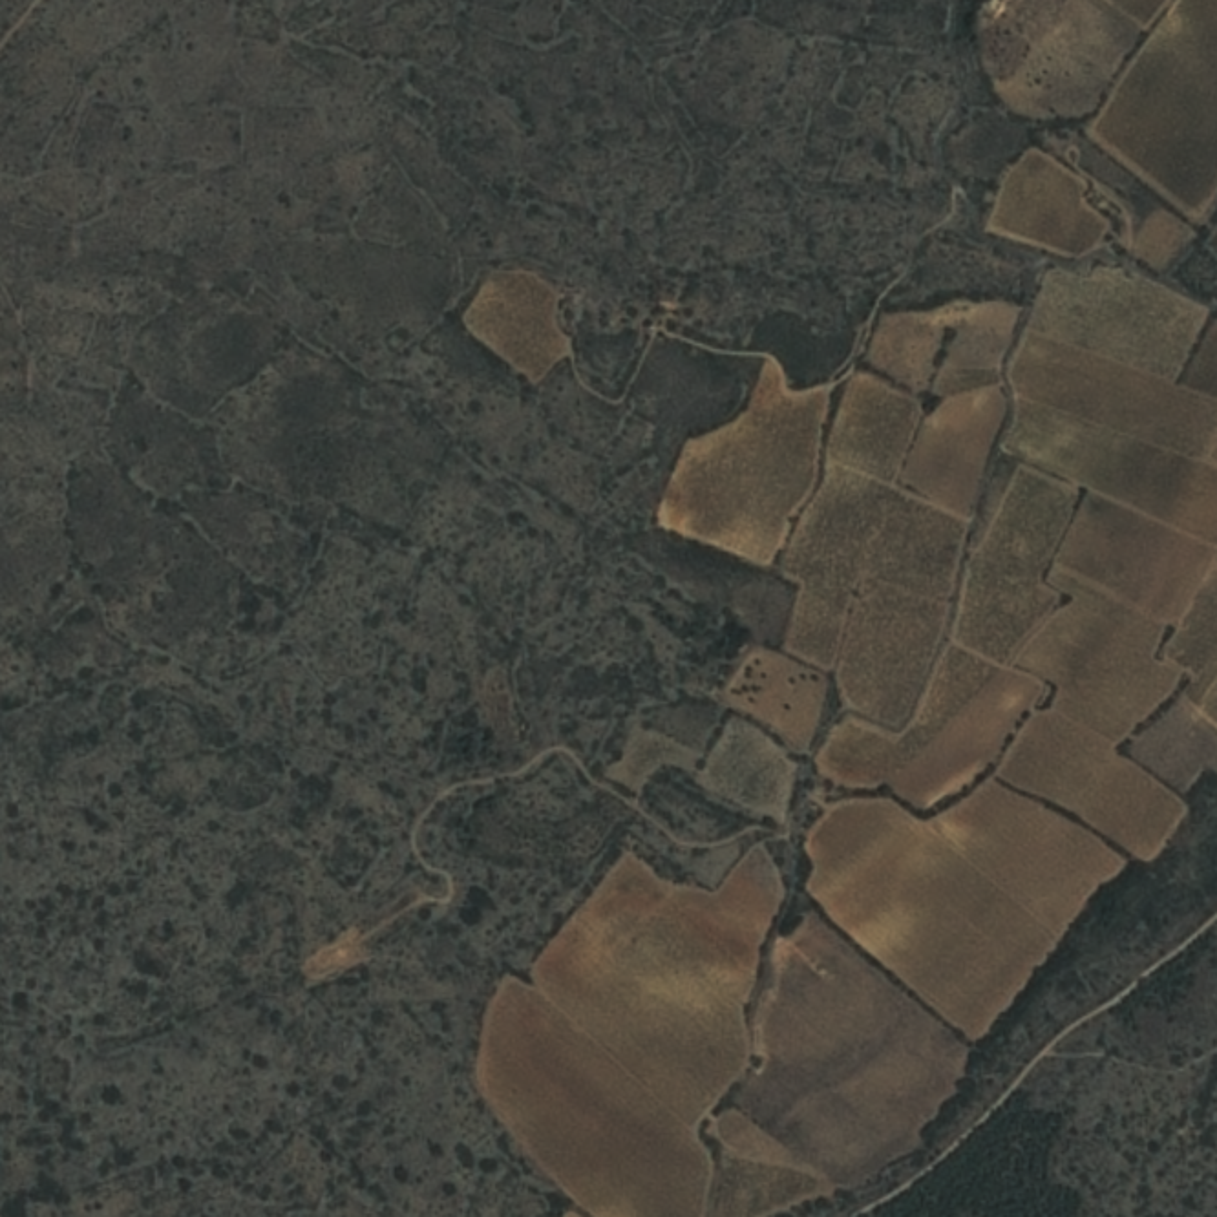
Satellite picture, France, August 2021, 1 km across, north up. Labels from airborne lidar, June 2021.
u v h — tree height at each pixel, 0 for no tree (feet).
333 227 0
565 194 0
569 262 0
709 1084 0
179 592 0
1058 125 18
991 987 0
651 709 0
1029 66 0
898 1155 0
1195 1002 0
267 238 0
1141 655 0
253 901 0
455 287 0
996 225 0
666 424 0
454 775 0
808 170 0
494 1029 0
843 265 0
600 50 0
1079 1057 0
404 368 0
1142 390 0
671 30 0
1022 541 0
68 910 0
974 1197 20
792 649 0
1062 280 0
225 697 0
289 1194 0
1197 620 0
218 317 0
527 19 0
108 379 0
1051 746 0
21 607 0
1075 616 0
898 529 0
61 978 0
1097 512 0
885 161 0
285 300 0
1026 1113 20
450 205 0
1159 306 0
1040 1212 22
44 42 0
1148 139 0
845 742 0
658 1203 0
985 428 0
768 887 0
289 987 0
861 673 0
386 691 0
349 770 0
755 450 0
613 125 0
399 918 0
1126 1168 0
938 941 0
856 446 0
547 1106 0
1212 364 0
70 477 0
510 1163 0
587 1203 0
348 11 0
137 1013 0
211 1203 0
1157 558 0
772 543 0
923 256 0
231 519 0
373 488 0
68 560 0
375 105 0
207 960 0
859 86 0
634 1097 0
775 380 0
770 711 0
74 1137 0
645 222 0
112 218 0
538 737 0
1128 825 0
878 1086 0
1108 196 0
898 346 0
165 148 0
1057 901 0
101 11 0
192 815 0
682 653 0
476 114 0
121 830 0
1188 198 0
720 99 0
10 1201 0
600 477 0
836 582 0
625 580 0
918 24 0
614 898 0
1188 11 0
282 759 0
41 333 0
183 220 0
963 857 0
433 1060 0
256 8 0
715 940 0
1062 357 0
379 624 0
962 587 0
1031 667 0
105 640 0
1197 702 0
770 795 0
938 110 0
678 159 0
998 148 0
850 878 0
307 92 0
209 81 0
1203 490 0
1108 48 0
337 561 0
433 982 0
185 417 0
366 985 0
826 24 0
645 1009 0
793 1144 0
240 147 0
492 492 0
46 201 0
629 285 0
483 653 0
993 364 0
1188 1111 0
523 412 0
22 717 0
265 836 0
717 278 0
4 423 0
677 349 0
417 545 0
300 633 0
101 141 0
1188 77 0
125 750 0
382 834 0
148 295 0
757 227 0
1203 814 0
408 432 0
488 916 0
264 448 0
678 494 0
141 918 0
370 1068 0
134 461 0
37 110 0
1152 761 0
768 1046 0
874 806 0
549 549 0
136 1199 0
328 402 0
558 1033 0
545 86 0
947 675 0
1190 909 0
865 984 0
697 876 0
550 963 0
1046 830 0
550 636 0
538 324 0
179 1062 0
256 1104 0
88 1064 0
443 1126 0
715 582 0
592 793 0
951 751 0
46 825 0
